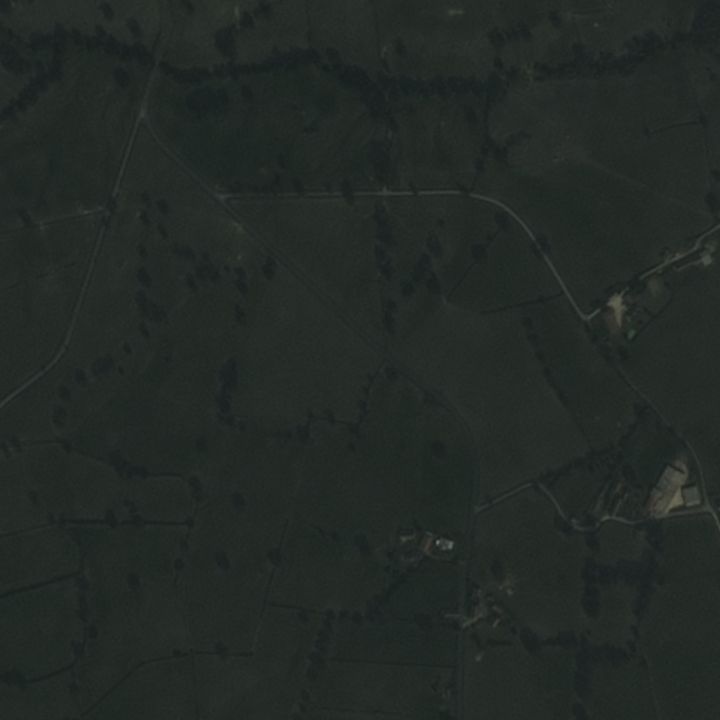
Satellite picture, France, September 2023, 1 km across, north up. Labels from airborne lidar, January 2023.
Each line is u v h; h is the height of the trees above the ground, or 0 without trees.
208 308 0
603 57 11
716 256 0
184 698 0
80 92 0
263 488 0
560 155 0
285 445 0
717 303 0
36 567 0
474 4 0
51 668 0
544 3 0
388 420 0
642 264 0
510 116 0
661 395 0
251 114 0
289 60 14
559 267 0
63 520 11
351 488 0
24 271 0
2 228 0
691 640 0
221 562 14
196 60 0
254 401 0
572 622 0
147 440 0
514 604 0
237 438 0
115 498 0
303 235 0
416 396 0
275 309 0
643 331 0
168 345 0
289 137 0
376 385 0
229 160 0
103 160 0
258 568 0
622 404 0
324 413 0
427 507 0
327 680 0
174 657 8
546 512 0
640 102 0
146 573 0
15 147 0
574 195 0
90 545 0
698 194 0
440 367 0
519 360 0
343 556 0
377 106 29
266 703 0
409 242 0
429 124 0
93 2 0
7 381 0
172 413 0
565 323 0
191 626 0
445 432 0
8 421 0
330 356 0
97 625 0
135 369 0
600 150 0
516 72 15
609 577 14
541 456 0
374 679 0
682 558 0
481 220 0
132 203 0
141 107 0
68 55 0
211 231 0
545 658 0
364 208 0
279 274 0
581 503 0
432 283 17
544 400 0
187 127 0
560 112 0
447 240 0
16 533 0
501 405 0
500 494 0
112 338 0
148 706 0
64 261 0
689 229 0
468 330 0
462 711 0
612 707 0
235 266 0
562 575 0
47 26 0
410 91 21
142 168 0
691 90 0
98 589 0
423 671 0
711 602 0
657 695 0
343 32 0
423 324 0
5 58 22
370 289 0
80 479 0
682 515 0
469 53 0
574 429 0
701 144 0
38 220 0
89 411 0
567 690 0
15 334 0
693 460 0
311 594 0
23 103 9
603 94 0
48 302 0
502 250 0
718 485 0
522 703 0
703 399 0
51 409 0
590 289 0
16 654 0
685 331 0
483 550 0
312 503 0
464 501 0
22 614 0
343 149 0
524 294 0
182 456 0
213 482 0
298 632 0
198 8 0
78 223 0
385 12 0
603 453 6
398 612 0
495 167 0
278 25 0
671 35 0
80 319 0
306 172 0
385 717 0
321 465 0
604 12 0
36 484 0
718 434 0
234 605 0
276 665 0
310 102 0
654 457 0
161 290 0
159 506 0
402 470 0
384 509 0
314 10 0
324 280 0
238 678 0
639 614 18
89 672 0
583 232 0
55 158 0
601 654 14
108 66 0
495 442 0
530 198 0
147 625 0
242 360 0
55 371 0
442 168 0
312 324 0
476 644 15
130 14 0
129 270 0
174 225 0
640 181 0
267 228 0
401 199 0
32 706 0
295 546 0
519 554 0
